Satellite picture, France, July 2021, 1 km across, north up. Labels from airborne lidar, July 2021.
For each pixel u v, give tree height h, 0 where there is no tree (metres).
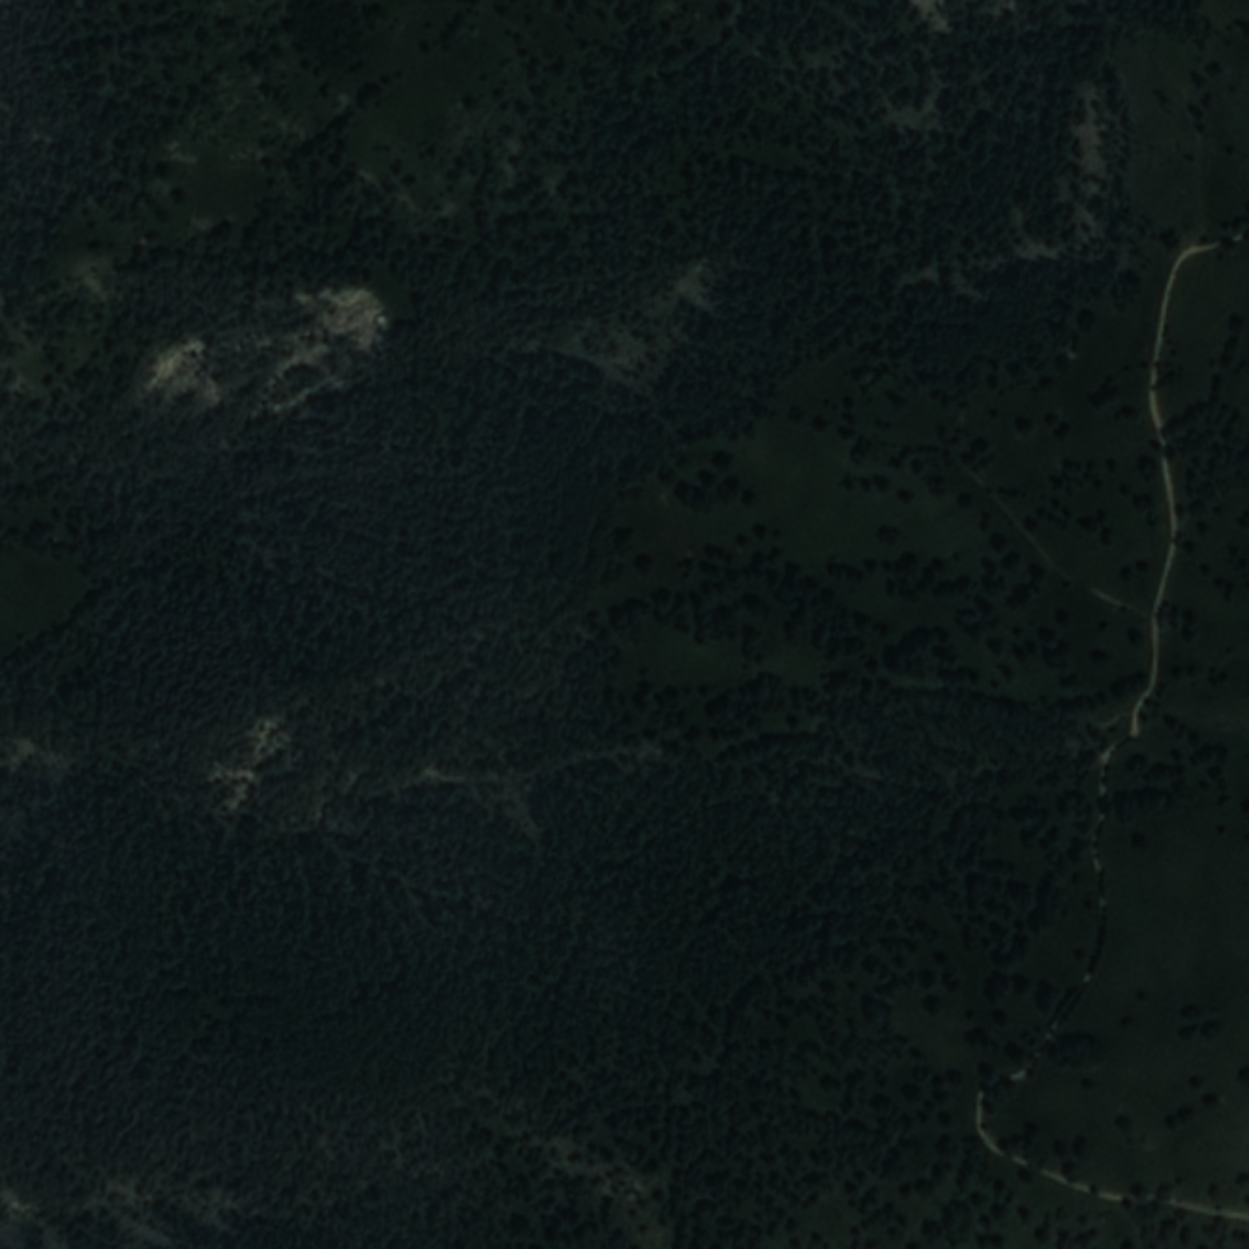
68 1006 19
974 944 15
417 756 17
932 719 21
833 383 0
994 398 0
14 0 7
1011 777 21
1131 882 0
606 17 18
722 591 18
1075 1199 0
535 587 15
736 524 0
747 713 18
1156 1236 11
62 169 22
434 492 14
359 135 0
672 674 0
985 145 13
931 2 0
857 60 19
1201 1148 0
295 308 8
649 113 9
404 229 6
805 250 20
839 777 10
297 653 20
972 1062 0
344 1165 10
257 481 12
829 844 18
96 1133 16
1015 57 19
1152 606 0
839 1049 16
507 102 13
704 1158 16
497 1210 24
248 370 8
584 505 27
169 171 18
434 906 18
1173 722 18
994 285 21
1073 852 9
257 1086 11
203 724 14
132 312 14
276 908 24
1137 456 0
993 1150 15
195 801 10
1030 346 16
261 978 19
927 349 23
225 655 17
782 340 17
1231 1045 0
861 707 18
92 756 16
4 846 9
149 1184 11
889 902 15
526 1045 15
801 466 0
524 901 17
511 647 22
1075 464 17
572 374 12
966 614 7
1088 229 11
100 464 14
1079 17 21
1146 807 20
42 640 10
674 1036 14
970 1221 23
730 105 10
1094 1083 12
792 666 0
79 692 22
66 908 12
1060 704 10
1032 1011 0
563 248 18
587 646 16
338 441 13
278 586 18
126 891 18
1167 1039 0
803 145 19
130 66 9
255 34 11
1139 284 21
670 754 10
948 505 0
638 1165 14
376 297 0
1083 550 0
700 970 19
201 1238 10
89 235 0
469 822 15
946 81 12
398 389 21
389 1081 15
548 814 20
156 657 18
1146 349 0
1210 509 13
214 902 9
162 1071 13
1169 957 0
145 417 13
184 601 19
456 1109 12
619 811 6
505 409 19
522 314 16
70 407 17
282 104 15
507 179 6
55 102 15
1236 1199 0
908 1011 0
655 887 16
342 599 15
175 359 0
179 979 17
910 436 0
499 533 15
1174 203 0
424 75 0
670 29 16
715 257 10
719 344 21
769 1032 0
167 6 17
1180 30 25
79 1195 14
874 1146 22
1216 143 0
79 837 11
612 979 11
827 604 21
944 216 16
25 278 13
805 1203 8
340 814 8
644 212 21
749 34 12
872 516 0
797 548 0
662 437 17
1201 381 0
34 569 0
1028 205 22
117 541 18
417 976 21
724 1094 17
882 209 9
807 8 18
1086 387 0
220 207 0
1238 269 0
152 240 11
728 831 12
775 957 16
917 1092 20
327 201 15
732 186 6
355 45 13
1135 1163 0
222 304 15
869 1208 15
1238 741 0
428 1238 26
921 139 13
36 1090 16
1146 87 0
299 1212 21
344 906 22
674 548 0
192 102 7
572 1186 14
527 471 18
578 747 18
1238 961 0
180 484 19
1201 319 0
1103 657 19
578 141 13
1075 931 0
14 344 8
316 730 11
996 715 23
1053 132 18
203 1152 18
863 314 19
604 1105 18
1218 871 0
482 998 23
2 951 15
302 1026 22
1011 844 0
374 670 15
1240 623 0
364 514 10
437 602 9
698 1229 11
